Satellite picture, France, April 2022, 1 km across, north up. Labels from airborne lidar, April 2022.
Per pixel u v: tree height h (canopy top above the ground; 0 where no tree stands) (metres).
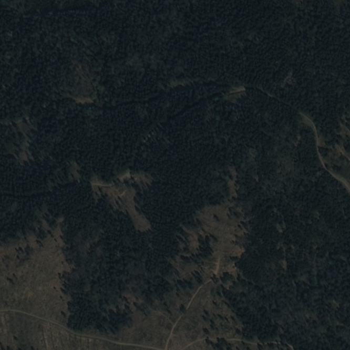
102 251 30
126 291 25
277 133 24
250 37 25
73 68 29
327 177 24
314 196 24
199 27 16
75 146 21
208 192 22
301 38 14
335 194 24
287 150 19
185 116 29
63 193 20
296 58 24
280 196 26
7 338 0
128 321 23
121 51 32
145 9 32
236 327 21
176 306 0
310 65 28
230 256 0
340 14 29
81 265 23
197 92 29
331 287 28
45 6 7
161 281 23
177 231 21
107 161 22
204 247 22
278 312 6
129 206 0
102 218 21
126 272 19
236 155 16
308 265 29
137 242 24
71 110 26
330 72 32
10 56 26
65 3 7
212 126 8
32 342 0
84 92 29
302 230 29
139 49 29
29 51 30
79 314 27
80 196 21
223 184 22
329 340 29
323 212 23
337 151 32
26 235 23
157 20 25
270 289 30
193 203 20
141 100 26
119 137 20
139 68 34
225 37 17
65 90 29
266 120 27
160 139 23
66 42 29
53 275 0
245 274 25
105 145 29
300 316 26
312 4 31
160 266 29
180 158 28
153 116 28
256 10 27
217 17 19
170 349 0
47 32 33
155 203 23
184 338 0
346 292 40
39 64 31
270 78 27
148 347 0
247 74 26
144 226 0
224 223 0
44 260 0
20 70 32
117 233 29
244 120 7
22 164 0
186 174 20
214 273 0
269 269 14
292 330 24
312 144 24
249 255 24
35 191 26
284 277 24
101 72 35
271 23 29
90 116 27
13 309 0
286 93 29
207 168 18
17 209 23
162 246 27
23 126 0
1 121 26
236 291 27
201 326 0
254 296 31
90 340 0
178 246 20
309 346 25
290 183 28
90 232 21
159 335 0
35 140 28
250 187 25
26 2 11
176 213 26
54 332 0
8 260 21
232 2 26
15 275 0
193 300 0
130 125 26
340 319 25
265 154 27
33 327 0
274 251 30
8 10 31
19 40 23
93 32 32
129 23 34
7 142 22
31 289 0
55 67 28
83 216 33
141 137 28
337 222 20
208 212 0
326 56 30
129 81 28
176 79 21
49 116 27
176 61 28
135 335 0
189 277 0
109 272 13
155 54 31
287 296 32
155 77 28
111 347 0
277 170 23
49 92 24
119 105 15
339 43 30
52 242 0
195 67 26
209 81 27
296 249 30
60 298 0
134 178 0
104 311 26
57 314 0
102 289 22
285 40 25
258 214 24
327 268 29
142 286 25
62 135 26
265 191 25
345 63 31
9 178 25
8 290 0
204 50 22
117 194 0
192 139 23
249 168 26
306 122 0
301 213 24
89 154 22
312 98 25
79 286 24
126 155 21
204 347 0
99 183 0
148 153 23
